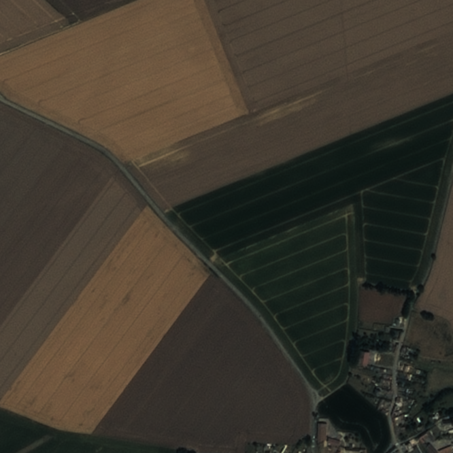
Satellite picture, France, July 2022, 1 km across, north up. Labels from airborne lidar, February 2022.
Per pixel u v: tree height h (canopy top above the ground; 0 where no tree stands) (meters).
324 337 0
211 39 0
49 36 0
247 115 0
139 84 0
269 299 0
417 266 0
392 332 9
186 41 0
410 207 0
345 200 0
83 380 0
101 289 0
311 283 0
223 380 0
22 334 0
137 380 0
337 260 0
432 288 0
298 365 0
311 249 0
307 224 0
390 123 0
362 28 0
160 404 0
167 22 0
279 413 0
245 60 0
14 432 0
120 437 0
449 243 0
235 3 0
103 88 0
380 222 0
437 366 0
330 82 0
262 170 0
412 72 0
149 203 0
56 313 0
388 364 0
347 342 0
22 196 0
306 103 0
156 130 0
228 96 0
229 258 0
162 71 0
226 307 0
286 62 0
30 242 0
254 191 0
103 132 0
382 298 0
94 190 0
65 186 0
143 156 0
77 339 0
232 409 0
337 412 0
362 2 0
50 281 0
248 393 0
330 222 0
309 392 0
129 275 0
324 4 0
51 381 0
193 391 0
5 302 0
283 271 0
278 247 0
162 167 0
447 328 0
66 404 0
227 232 0
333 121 0
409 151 0
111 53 0
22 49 0
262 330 0
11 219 0
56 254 0
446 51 0
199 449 0
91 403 0
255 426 0
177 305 0
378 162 0
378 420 0
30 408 0
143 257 0
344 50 0
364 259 0
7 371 0
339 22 0
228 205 0
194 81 0
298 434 0
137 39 0
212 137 0
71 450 0
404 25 0
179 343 0
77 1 0
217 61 0
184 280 0
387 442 0
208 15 0
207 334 0
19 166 0
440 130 0
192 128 0
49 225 0
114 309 0
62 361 0
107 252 0
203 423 0
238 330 0
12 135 0
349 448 0
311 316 0
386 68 0
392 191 0
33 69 0
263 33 0
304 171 0
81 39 0
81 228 0
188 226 0
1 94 0
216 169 0
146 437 0
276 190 0
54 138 0
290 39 0
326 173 0
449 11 0
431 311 0
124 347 0
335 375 0
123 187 0
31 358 0
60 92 0
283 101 0
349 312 0
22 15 0
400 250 0
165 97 0
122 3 0
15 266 0
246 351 0
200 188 0
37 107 0
